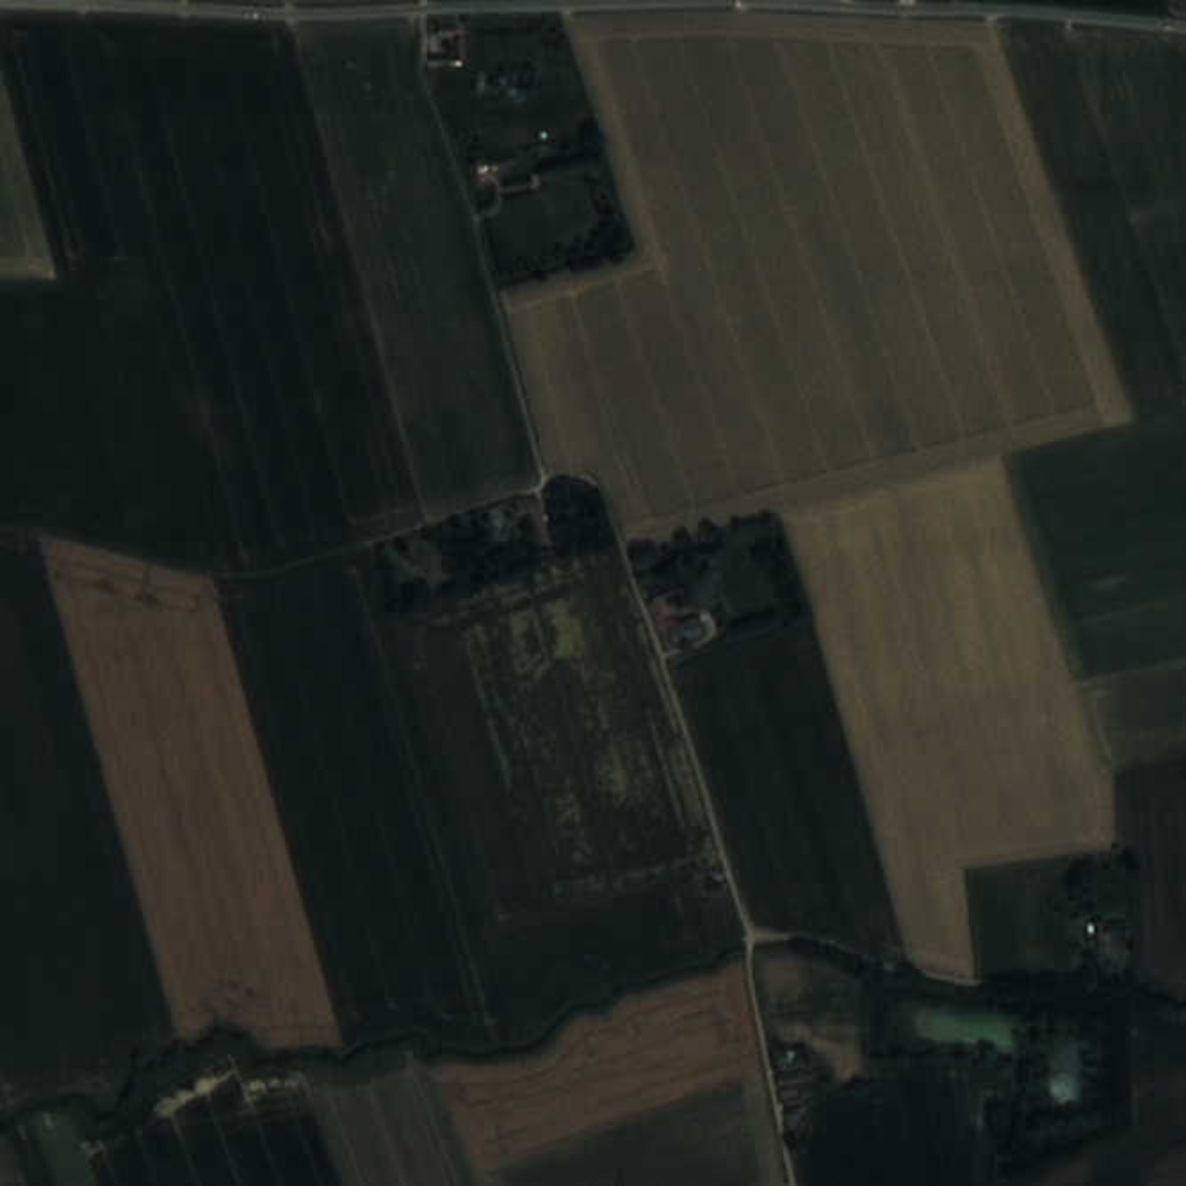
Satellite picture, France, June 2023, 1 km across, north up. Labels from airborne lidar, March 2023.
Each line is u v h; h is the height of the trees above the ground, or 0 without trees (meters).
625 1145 0
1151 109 0
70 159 0
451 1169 0
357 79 0
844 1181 0
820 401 0
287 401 0
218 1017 0
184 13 0
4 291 0
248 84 0
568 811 0
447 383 0
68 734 0
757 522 10
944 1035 0
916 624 0
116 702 0
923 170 0
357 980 0
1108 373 0
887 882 0
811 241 0
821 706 0
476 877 0
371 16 0
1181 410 0
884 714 0
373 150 0
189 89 0
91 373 0
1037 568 0
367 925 0
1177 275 0
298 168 0
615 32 0
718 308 0
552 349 0
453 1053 0
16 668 0
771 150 0
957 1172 0
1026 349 0
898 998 0
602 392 0
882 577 0
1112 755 0
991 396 0
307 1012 0
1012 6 0
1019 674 0
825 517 0
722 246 0
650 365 0
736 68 0
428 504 0
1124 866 15
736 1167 0
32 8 0
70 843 0
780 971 0
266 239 0
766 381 0
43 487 0
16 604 0
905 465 0
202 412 0
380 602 0
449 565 10
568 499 22
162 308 0
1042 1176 0
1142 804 0
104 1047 0
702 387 0
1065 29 0
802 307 0
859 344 0
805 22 0
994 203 0
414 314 0
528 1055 0
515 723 0
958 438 0
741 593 0
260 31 0
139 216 0
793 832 0
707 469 0
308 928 0
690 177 0
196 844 0
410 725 0
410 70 0
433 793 0
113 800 0
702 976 0
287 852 0
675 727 0
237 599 0
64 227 0
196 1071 0
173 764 0
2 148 0
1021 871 0
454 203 0
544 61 0
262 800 0
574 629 0
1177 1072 0
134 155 0
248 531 0
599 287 0
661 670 0
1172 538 0
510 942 0
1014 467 0
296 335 0
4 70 0
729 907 0
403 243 0
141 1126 0
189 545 0
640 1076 0
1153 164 0
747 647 0
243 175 0
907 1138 0
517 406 0
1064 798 0
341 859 0
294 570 0
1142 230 0
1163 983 0
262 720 0
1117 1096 19
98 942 0
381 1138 0
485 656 0
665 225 0
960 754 0
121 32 0
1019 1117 11
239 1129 0
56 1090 0
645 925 0
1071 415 0
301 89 0
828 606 0
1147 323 0
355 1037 0
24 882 0
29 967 0
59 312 0
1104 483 0
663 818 0
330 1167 0
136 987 0
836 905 0
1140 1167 0
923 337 0
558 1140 0
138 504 0
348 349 0
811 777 0
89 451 0
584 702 0
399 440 0
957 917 0
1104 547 0
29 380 0
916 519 0
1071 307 0
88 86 0
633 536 0
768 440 0
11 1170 0
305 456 0
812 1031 0
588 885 0
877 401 0
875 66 0
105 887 0
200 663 0
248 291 0
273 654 0
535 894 0
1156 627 0
